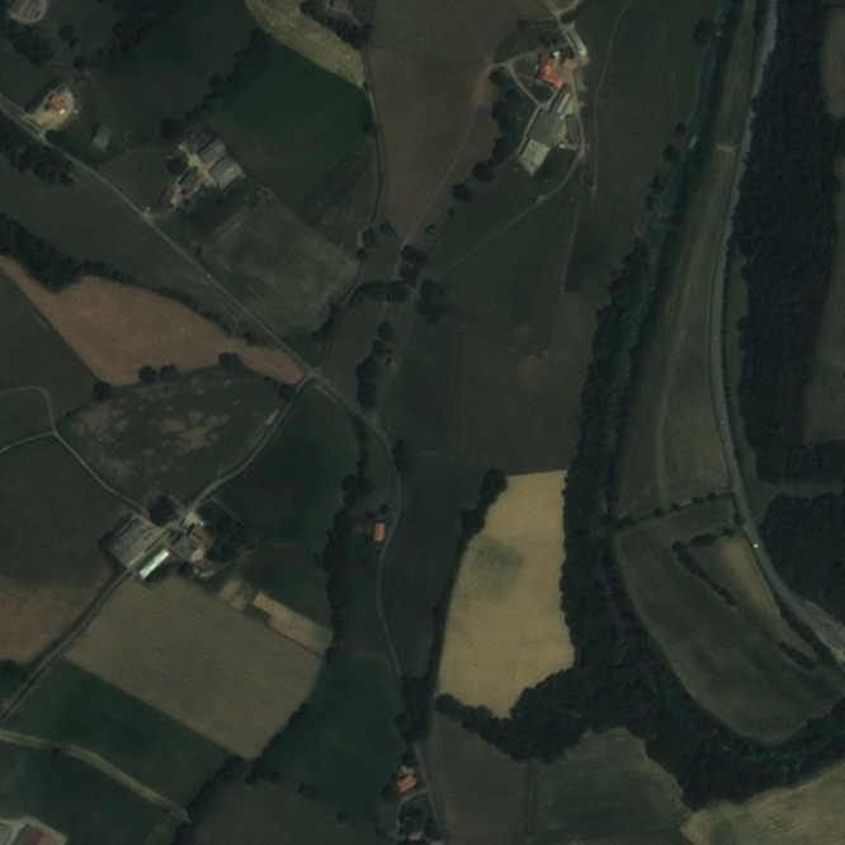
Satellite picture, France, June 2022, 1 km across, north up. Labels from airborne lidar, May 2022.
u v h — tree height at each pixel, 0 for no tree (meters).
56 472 0
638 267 27
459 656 0
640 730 17
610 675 24
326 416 0
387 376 0
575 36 0
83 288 0
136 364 0
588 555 29
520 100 17
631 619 36
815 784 0
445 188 0
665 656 0
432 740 0
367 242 13
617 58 0
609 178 0
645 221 0
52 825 0
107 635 0
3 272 0
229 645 0
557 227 0
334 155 0
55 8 0
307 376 0
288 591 0
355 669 0
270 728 0
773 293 8
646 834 0
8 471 0
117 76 0
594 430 14
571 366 0
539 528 0
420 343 0
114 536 10
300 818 0
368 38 7
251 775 17
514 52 0
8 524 0
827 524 6
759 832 0
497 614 0
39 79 0
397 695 0
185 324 0
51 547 0
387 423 0
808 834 0
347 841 0
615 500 12
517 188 0
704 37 16
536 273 0
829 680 0
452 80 0
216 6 0
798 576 7
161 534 0
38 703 0
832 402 0
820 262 11
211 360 0
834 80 0
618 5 0
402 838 9
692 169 18
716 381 0
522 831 0
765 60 0
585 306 0
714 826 0
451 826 0
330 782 0
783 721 0
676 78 0
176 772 0
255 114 0
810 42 8
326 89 0
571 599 16
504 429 0
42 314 0
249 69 17
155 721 0
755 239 21
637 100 0
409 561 0
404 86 0
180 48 0
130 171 0
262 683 0
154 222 0
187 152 0
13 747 0
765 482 10
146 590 0
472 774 0
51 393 0
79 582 0
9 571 0
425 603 0
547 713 22
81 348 0
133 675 0
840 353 0
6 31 18
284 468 0
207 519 19
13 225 11
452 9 0
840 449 21
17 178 0
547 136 0
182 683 0
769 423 11
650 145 0
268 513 0
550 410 0
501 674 0
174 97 0
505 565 0
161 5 28
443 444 0
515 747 22
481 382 0
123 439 0
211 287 0
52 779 0
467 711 19
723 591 11
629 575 0
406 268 12
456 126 0
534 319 0
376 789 0
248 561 0
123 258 0
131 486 0
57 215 0
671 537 0
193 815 16
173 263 0
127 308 0
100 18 0
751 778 21
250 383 0
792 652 12
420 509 0
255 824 0
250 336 12
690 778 12
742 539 0
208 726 0
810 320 12
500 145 13
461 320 0
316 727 0
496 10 0
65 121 0
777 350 12
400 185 0
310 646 0
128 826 0
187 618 0
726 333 6
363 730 0
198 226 0
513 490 0
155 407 0
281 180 0
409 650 0
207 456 0
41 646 0
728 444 0
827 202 11
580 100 0
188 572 21
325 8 0
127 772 0
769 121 20
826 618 0
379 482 0
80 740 0
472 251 0
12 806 0
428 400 0
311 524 0
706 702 0
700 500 12
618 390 24
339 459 0
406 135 0
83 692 0
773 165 18
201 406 0
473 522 23
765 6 11
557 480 0
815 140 14
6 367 0
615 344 28
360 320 0
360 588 0
